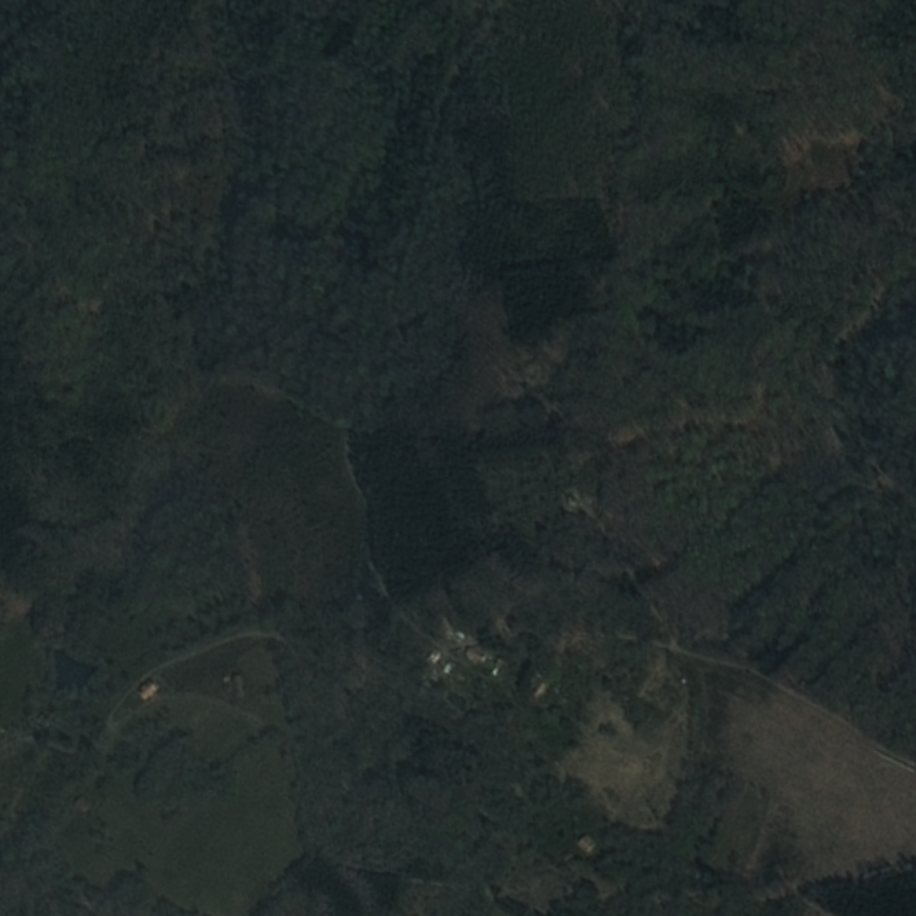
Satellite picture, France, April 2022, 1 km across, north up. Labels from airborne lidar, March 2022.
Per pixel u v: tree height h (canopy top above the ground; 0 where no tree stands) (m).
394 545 22
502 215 14
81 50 31
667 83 23
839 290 20
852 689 31
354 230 11
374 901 15
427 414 23
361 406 24
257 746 11
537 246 9
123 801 0
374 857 14
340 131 27
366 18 25
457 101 13
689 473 28
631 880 12
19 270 21
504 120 17
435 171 21
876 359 31
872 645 32
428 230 23
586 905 20
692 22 38
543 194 8
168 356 33
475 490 18
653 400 30
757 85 26
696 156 22
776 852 0
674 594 23
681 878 21
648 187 19
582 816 0
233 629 12
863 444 31
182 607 21
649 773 0
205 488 34
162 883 0
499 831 13
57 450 22
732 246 7
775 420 31
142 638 0
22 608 0
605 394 29
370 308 26
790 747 0
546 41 10
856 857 0
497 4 21
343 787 23
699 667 0
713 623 26
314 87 32
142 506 31
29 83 31
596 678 8
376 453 16
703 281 16
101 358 28
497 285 22
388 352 28
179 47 20
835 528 29
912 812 0
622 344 30
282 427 0
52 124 26
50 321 30
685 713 0
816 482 27
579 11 8
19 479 21
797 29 32
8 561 21
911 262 29
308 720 21
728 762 0
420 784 33
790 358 16
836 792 0
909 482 35
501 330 21
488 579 17
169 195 34
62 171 33
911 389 33
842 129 30
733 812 20
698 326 33
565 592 16
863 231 34
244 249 35
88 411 16
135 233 26
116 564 26
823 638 31
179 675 0
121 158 28
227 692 0
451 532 18
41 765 23
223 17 16
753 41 26
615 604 18
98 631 16
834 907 22
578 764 0
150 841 0
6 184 34
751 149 20
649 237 23
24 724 11
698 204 29
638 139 18
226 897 0
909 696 31
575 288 24
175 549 29
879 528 35
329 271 35
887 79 24
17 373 21
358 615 21
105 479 18
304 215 34
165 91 29
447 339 21
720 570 34
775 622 32
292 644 28
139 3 23
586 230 12
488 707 11
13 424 18
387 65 22
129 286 22
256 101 33
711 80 33
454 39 14
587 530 17
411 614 25
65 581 24
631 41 10
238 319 36
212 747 0
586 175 13
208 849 0
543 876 0
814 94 35
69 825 0
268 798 0
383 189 8
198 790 18
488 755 15
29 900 16
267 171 29
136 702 0
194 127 33
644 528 26
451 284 11
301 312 36
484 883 20
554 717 14
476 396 21
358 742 21
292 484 0
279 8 23
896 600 35
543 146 10
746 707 0
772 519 29
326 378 31
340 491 0
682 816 20
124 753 9
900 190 38
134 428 12
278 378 30
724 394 29
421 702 21
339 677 17
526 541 16
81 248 23
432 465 20
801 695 28
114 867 0
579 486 10
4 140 31
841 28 31
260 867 0
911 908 21
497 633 23
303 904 20
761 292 28
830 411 32
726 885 16
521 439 22
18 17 28
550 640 24
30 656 0
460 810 23
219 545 26
